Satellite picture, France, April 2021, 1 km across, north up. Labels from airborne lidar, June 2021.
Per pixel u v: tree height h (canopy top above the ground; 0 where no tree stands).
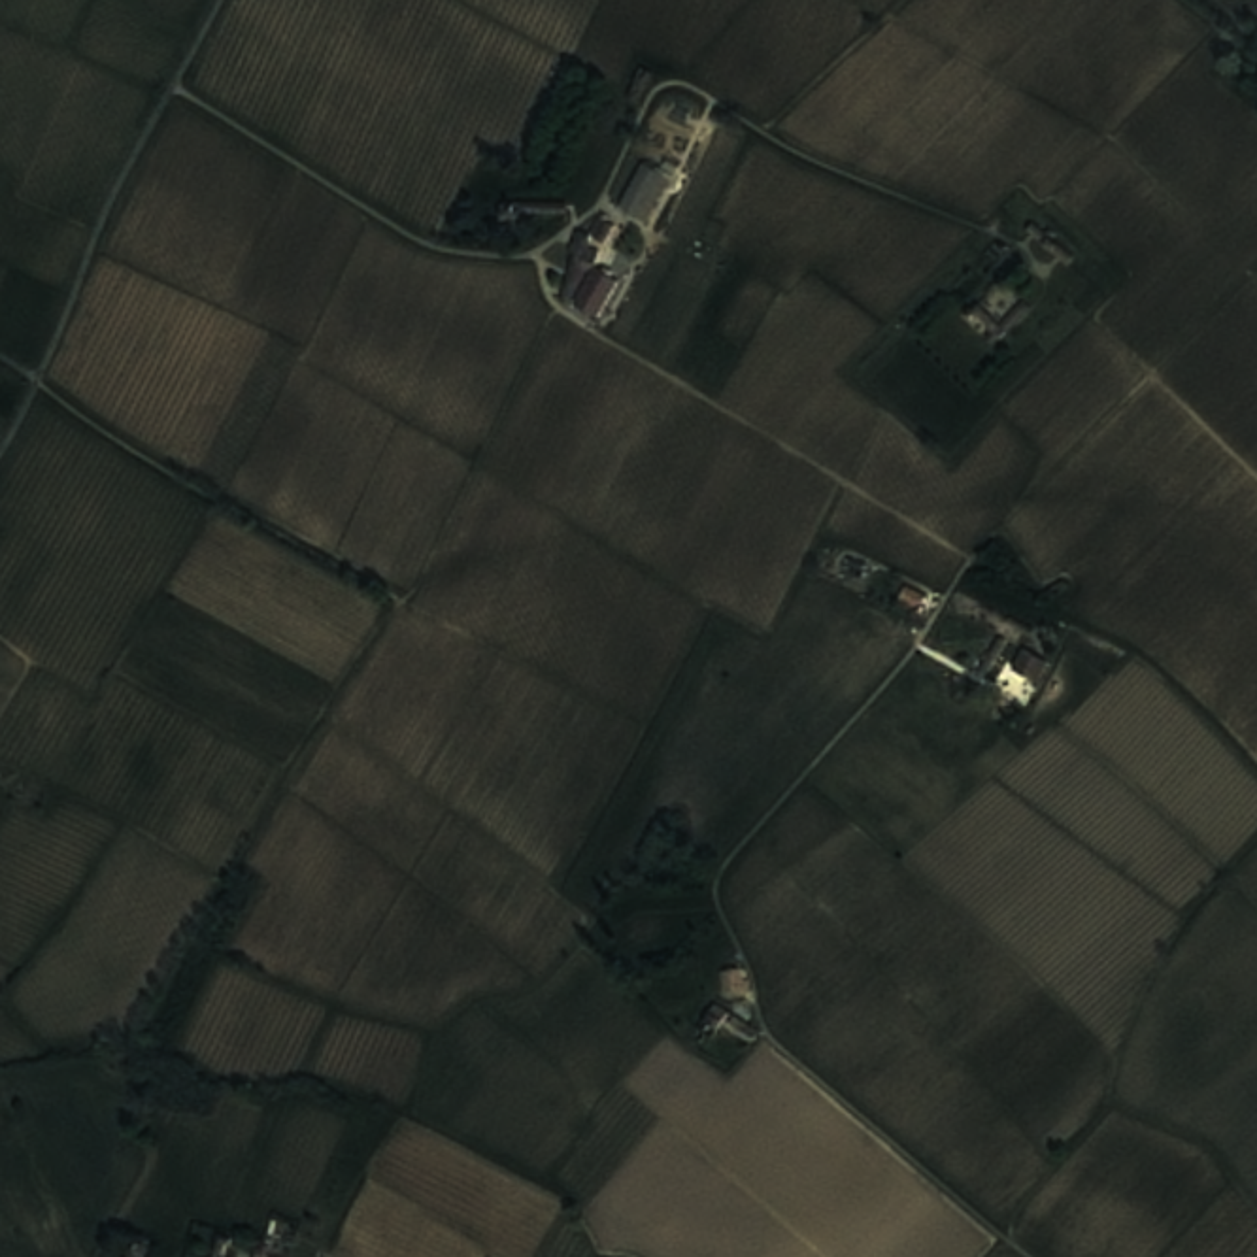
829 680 0
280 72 0
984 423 0
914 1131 0
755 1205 0
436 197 0
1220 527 0
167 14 0
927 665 0
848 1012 0
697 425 0
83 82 0
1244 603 0
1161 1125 0
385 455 0
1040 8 0
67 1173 0
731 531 0
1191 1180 0
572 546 0
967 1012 0
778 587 0
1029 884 0
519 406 0
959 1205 0
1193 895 0
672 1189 0
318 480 0
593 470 0
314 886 0
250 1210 0
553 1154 0
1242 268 0
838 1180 0
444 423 0
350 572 13
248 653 0
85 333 0
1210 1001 0
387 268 0
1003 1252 0
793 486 0
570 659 0
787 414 0
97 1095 0
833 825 0
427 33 0
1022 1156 0
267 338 0
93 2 0
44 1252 0
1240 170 0
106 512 0
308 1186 0
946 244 0
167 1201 0
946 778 0
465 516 0
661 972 15
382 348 0
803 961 0
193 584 0
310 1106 0
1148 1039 0
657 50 0
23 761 0
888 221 0
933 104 0
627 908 0
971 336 0
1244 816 0
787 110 0
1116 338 0
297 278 0
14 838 0
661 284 0
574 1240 0
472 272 0
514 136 0
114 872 0
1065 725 0
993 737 0
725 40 0
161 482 0
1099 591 0
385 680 0
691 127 0
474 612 0
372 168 0
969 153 0
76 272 0
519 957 0
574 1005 0
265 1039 0
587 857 0
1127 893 0
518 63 0
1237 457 0
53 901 0
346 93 0
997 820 0
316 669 0
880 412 0
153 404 0
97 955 0
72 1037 0
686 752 0
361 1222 0
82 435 0
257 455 0
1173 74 0
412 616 0
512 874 0
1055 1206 0
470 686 0
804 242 0
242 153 0
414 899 0
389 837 0
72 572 0
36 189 0
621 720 0
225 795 0
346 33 0
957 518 0
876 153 0
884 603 8
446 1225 0
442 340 0
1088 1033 0
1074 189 0
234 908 17
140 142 0
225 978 0
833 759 0
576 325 0
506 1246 0
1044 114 0
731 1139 0
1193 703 0
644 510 0
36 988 0
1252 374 0
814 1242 0
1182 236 0
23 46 0
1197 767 0
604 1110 0
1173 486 0
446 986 0
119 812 0
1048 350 0
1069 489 0
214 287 0
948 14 0
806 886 0
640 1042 0
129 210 0
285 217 0
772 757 0
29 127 0
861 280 0
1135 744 0
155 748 0
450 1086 0
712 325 0
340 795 0
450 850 0
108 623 0
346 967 0
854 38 0
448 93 0
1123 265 0
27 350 0
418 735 0
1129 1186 0
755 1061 0
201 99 0
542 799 0
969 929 0
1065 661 0
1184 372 0
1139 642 0
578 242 0
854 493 0
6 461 0
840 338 0
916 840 0
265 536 12
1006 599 0
